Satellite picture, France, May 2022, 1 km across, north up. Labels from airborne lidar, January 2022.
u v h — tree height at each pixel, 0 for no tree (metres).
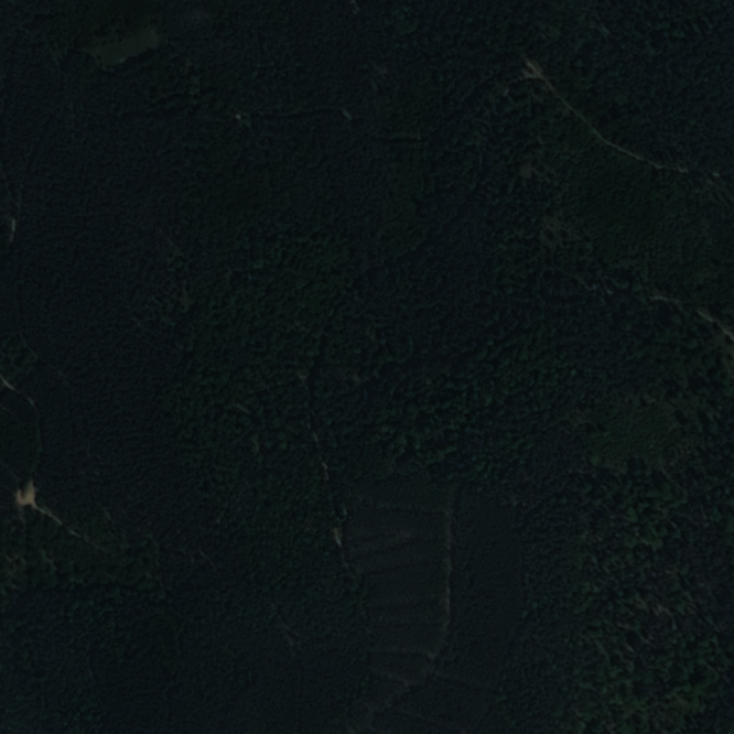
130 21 15
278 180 23
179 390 24
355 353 17
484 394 23
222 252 18
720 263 25
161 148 26
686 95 33
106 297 25
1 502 17
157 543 14
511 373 25
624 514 30
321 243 24
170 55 6
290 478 24
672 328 33
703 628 38
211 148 21
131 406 29
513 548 16
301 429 24
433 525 18
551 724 13
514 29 22
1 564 20
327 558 22
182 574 29
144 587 20
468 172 23
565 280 7
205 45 22
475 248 24
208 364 26
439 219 26
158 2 15
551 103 7
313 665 24
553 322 29
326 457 14
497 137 7
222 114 18
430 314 28
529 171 0
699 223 8
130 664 18
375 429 24
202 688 18
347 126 24
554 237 17
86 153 23
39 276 24
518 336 29
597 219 8
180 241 26
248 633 23
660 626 39
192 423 19
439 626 19
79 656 24
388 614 18
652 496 25
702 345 38
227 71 22
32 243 22
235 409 29
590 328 30
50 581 24
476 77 33
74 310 26
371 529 17
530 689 18
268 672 25
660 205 6
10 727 20
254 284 24
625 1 29
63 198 22
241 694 22
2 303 22
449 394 11
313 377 25
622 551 35
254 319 27
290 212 21
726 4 29
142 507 27
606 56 32
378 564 18
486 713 19
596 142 8
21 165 26
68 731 22
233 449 23
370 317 15
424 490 21
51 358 17
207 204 21
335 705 24
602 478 24
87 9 21
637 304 30
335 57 27
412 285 26
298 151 22
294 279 26
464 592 14
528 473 25
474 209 22
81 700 21
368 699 17
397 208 13
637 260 6
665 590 35
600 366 27
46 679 18
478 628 15
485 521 14
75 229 24
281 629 24
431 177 10
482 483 22
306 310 22
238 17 18
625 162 8
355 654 22
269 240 20
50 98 22
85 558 19
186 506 18
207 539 19
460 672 18
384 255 10
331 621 26
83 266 26
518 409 22
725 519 34
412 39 26
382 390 24
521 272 10
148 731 24
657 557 35
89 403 23
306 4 25
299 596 21
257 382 27
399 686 17
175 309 6
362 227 27
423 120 9
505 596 15
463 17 32
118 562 13
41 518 17
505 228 20
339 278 22
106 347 23
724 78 24
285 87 23
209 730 21
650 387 26
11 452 16
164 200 26
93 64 18
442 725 16
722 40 25
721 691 24
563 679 6
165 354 24
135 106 18
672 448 6
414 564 18
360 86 29
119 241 23
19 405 17
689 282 8
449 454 11
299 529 16
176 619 22
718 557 36
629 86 34
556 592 12
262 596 27
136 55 0
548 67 18
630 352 29
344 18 28
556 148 7
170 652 17
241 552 23
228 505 19
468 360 26
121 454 27
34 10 21
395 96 11
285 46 19
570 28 28
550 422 25
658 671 34
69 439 21
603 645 34
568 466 27
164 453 22
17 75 23
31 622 27
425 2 42
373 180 28
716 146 27
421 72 22
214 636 17
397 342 22
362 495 19
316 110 22
